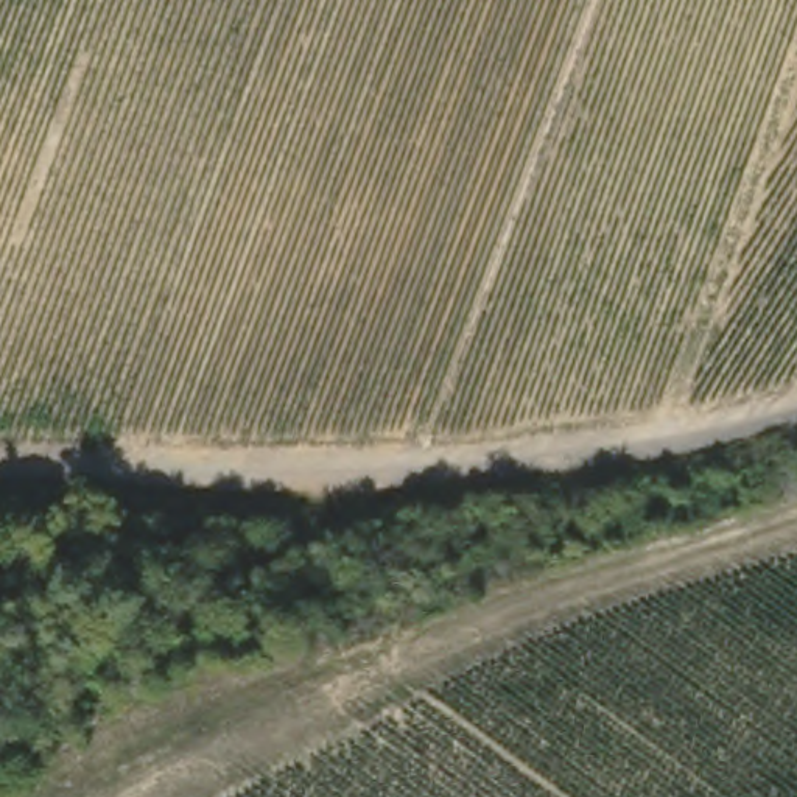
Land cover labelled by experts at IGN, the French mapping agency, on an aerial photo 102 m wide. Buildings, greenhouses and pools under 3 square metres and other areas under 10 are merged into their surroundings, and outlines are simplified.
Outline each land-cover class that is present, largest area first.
<instances>
[{"label":"vineyard","instance_id":"1","mask_svg":"<svg viewBox=\"0 0 797 797\"><path fill-rule=\"evenodd\" d=\"M672 370L694 377V405L738 389H766L769 383L791 386L797 377V0H0V445H6L9 439L19 448L22 442L34 439L40 445L59 442L68 451L81 445V436L118 439L125 430H162L193 433L196 445L212 448H411L420 442V436H430L433 445H476L486 442L489 427H504L520 417L620 408L651 411L663 402ZM417 700L405 710V729H399L395 719L367 725L358 738L330 744L321 753H314L311 766H286L237 797H797V551L722 570L679 588H660L648 598L616 604L604 613L582 616L570 626H557L542 638H529L526 644L504 648L501 657L483 660L479 666H470L467 672L445 679L436 697L430 691H414Z\"/></svg>","mask_w":797,"mask_h":797},{"label":"coniferous trees","instance_id":"2","mask_svg":"<svg viewBox=\"0 0 797 797\"><path fill-rule=\"evenodd\" d=\"M676 458L691 473L685 489H672L666 479L641 476L629 489L595 495L585 511L567 504L542 511L532 495H514V504H504V495L498 492L467 495L464 504L455 511L402 507L392 532L386 535H374V529H380L383 520H361L346 532H327L314 545H299L274 564L268 560L265 548H271L286 532L283 523L249 520L240 507L230 504L215 507L146 498L106 479L97 470H87L84 476L72 479L62 489H50L47 495H28L22 489L0 495V797H34L40 794L37 775L50 760L59 757L62 738L75 732L78 722L97 713V697L109 685H128V672H143V679H168L171 666H193L199 654L237 660L255 654L258 660H271L268 654L274 648L293 654L305 651L308 644H361L377 638L380 629H411L430 616L467 607L470 601H479L486 595L489 585L517 582L542 570H551V576H567V567H576L588 554L641 545L682 529H700L735 511L778 504L785 498V486L797 479V420L769 423L741 439H722L704 448L676 451Z\"/></svg>","mask_w":797,"mask_h":797},{"label":"herbaceous vegetation","instance_id":"3","mask_svg":"<svg viewBox=\"0 0 797 797\"><path fill-rule=\"evenodd\" d=\"M797 551V479L785 486V498L778 504L735 511L700 529H682L641 545L588 554L576 567H567V576H551V570H542L517 582L489 585L486 595L479 601H470L467 607L430 616L411 629H380L377 638L361 644H308L305 651L293 654L274 648L268 654L271 660H258L255 654L237 660L199 654L193 666H171L168 679H143V672H128V685H109L97 697V713L78 722L75 732L62 738L59 757L50 760L37 775L40 794L34 797H115V794H118L121 788H128V785L140 781V778H143V775H146L149 769H153V772H156V778H159V785H156V788L149 791V797H237L286 766H311L314 753H321L330 744L358 738L367 725L395 719L399 729H405V710L417 700L414 691H430L436 697L445 679L467 672L470 666H479L483 660L501 657L504 648L526 644L529 638H542L557 626H570L582 616L604 613L616 604L648 598L660 588H679L722 570Z\"/></svg>","mask_w":797,"mask_h":797},{"label":"impervious surface","instance_id":"4","mask_svg":"<svg viewBox=\"0 0 797 797\"><path fill-rule=\"evenodd\" d=\"M694 377L672 370L663 402L651 411L620 408L520 417L504 427H489L486 442L476 445H433L430 436H420V442L411 448H212L196 445L193 433L162 430H125L118 439L81 436V445L68 451L59 442L40 445L34 439L22 442L19 448L9 439L6 445H0V495L22 489L28 495H47L50 489H62L72 479L84 476L87 470H97L106 479L146 498L215 507L230 504L240 507L249 520L283 523L286 532L271 548H265L268 560L274 564L299 545H314L327 532H346L361 520H383L380 529H374V535H386L392 532L402 507L455 511L464 504L467 495L498 492L504 495V504H514V495H532L542 511L567 504L585 511L595 495L629 489L641 476L666 479L672 489H685L691 473L676 458V451L704 448L722 439H741L769 423L797 420V377L791 386L769 383L766 389H738L694 405Z\"/></svg>","mask_w":797,"mask_h":797},{"label":"pervious surface","instance_id":"5","mask_svg":"<svg viewBox=\"0 0 797 797\"><path fill-rule=\"evenodd\" d=\"M156 785H159V778H156V772H153V769H149L146 775H143V778H140V781L128 785V788H121L118 794H115V797H149V791L156 788Z\"/></svg>","mask_w":797,"mask_h":797}]
</instances>
